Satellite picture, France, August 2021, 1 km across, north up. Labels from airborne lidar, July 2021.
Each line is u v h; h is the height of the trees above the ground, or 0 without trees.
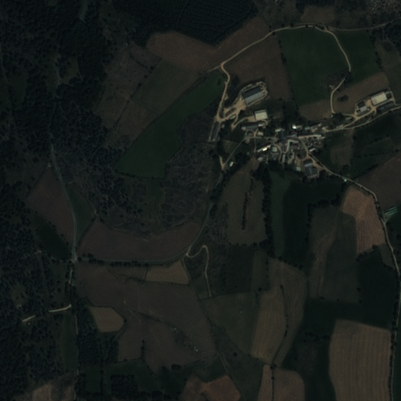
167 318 0
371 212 0
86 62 18
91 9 13
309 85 0
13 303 17
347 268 0
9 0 19
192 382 0
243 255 0
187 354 0
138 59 0
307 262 0
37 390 0
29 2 9
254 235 0
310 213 10
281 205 0
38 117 15
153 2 9
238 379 0
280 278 0
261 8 0
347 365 0
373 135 0
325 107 0
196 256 0
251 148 0
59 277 0
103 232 0
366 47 0
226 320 0
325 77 0
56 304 6
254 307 0
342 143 0
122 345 0
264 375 0
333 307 0
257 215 0
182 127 0
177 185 0
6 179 15
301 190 0
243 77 0
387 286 0
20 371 12
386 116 0
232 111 0
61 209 0
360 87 0
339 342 0
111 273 0
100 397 16
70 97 17
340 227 0
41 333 14
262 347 0
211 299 0
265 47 0
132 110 0
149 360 0
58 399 0
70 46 17
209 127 0
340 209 0
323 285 0
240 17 14
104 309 0
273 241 20
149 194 0
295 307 0
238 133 0
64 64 16
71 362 0
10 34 14
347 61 0
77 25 20
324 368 0
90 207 0
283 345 0
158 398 20
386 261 0
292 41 0
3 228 6
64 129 17
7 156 17
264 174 17
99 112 0
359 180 0
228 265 0
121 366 0
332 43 0
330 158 0
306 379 0
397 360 0
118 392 18
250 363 0
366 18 0
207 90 0
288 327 10
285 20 0
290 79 0
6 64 17
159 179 0
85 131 13
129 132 0
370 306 0
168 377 0
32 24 10
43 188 0
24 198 0
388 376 0
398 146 0
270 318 0
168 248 0
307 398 0
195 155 0
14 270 16
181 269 0
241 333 0
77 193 0
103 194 7
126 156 0
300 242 0
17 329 13
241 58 0
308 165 0
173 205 0
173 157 0
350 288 0
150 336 0
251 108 0
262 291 9
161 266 0
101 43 17
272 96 0
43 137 16
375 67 0
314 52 0
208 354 0
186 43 0
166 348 0
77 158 0
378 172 0
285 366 0
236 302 0
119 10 14
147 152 0
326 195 0
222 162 0
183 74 0
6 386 9
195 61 0
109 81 0
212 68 0
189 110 0
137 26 0
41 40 8
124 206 14
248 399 0
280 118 0
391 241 0
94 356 17
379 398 0
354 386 0
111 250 0
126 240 0
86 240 0
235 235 0
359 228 0
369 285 0
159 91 0
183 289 0
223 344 0
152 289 0
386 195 0
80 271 0
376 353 0
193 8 16
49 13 9
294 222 0
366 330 0
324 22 0
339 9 0
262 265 0
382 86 0
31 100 13
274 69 0
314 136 0
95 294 0
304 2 11
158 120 0
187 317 0
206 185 0
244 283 0
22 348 12
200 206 0
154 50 0
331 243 0
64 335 0
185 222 0
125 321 9
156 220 0
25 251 18
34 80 16
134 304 0
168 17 14
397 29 19
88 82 15
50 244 0
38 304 16
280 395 0
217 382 0
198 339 0
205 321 0
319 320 0
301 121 8
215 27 15
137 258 0
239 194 0
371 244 0
